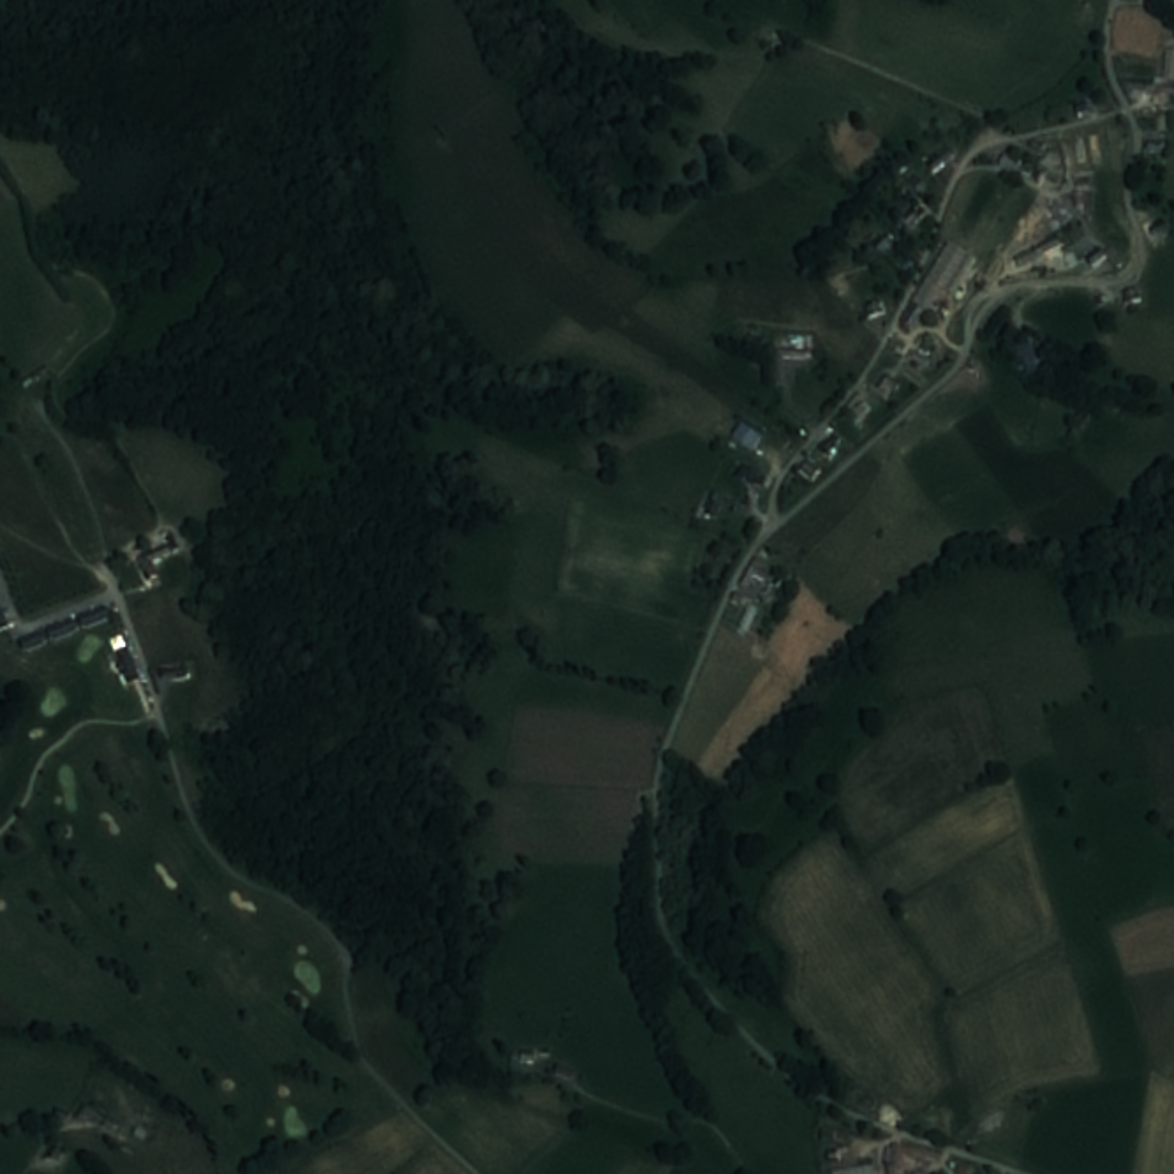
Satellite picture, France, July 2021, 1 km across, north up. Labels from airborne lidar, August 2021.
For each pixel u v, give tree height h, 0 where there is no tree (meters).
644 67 21
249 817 18
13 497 0
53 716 0
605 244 14
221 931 0
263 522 18
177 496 0
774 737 25
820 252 21
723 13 7
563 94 7
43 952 0
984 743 0
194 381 20
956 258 0
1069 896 0
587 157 29
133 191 14
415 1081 0
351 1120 16
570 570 0
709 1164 0
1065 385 19
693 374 0
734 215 0
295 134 17
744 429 0
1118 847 0
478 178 0
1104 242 0
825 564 0
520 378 20
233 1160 0
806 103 0
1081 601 21
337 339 17
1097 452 0
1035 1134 0
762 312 0
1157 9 18
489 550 0
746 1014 0
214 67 16
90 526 0
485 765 0
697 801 13
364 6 9
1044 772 0
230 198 22
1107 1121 0
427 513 24
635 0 0
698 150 0
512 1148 0
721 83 0
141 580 0
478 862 7
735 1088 0
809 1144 0
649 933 19
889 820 0
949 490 0
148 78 16
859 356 0
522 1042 0
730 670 0
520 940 0
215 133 18
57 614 0
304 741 19
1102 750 0
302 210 18
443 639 15
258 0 20
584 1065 0
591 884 0
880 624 19
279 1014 0
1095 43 11
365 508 19
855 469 0
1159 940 0
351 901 17
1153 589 19
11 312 0
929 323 13
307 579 16
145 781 0
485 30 23
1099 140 0
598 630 0
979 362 0
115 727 0
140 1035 0
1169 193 0
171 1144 0
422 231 0
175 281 18
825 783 16
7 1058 0
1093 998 0
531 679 0
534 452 0
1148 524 28
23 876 0
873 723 18
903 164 13
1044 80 0
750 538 10
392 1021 0
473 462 17
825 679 21
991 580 0
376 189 10
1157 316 0
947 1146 13
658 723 0
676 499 0
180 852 0
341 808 16
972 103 0
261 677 20
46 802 0
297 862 10
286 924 0
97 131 18
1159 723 0
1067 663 0
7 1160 0
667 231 0
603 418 19
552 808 0
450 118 0
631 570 0
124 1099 0
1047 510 0
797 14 0
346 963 0
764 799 0
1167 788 0
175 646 0
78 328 0
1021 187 11
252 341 20
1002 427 0
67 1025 0
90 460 0
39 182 0
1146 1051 0
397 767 20
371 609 23
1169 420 0
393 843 17
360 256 18
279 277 21
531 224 0
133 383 19
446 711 21
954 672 0
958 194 0
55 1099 0
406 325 15
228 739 21
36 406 0
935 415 0
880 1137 12
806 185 0
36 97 15
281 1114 0
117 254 14
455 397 22
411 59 0
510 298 0
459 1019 27
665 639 0
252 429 21
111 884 0
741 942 26
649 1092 0
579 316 0
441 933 8
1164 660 0
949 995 8
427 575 19
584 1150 0
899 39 0
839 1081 6
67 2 25
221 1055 0
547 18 19
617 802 0
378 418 18
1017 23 0
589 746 0
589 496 0
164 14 27
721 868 24
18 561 0
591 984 0
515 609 0
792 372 0
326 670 17
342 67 13
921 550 0
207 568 14
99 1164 21
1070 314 0
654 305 0
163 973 0
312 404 16
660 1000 19
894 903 12
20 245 0
